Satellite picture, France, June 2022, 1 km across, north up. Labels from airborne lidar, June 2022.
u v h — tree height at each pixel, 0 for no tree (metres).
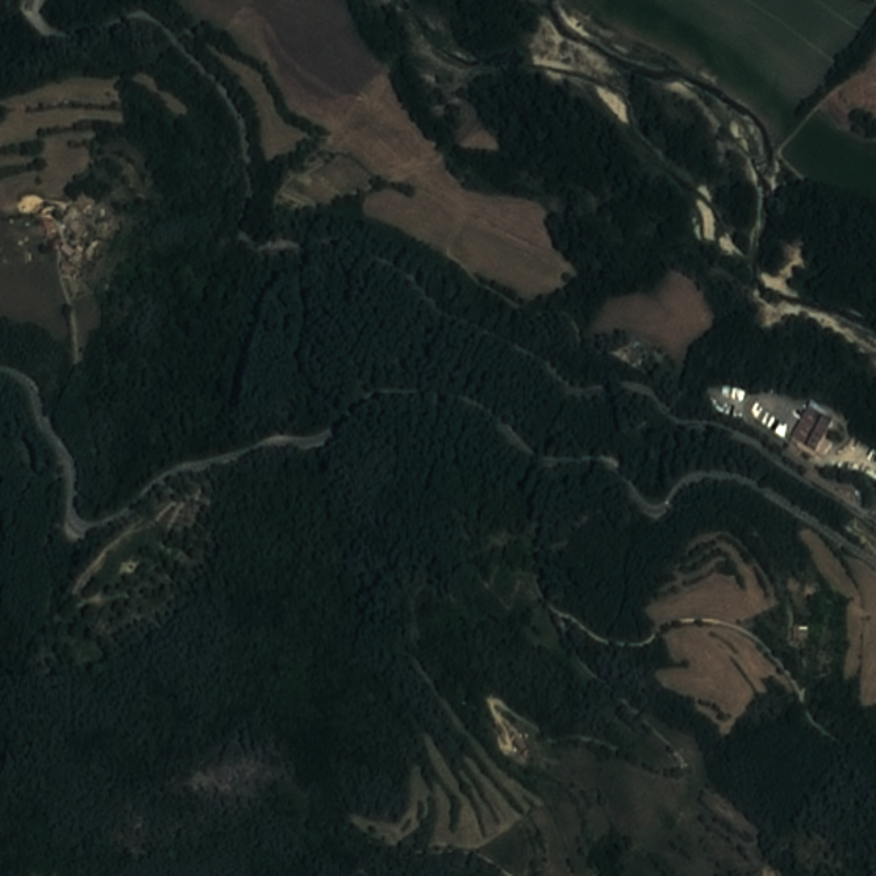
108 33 10
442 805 0
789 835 9
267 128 0
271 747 13
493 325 20
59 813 19
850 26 0
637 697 13
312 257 25
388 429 28
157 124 11
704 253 11
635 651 11
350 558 19
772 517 13
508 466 33
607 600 14
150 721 22
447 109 9
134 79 7
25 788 18
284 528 11
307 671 15
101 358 9
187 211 15
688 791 0
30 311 0
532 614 9
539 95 17
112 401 15
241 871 17
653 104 10
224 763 10
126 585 8
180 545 9
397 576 27
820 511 8
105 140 9
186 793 10
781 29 0
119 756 15
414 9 0
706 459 20
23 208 0
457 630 9
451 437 26
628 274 27
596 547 13
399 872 13
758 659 0
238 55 8
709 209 0
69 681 24
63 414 22
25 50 22
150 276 9
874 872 15
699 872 0
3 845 11
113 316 9
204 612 18
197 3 0
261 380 29
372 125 0
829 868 15
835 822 16
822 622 8
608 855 15
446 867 13
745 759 12
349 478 16
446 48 0
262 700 18
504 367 31
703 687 0
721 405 0
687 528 9
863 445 8
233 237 9
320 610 16
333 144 0
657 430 12
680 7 0
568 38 0
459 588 27
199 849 14
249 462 19
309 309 24
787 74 0
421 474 24
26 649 13
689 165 17
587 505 25
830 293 23
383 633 21
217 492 9
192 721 17
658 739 0
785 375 19
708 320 0
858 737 15
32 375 7
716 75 0
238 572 21
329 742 14
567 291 12
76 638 19
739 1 0
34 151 11
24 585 24
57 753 15
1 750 19
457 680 8
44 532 20
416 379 23
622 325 0
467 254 0
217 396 11
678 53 0
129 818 12
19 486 27
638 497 0
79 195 8
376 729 16
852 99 0
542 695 15
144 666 21
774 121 0
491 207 0
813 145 0
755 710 7
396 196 0
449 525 16
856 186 0
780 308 0
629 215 17
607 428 15
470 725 12
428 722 24
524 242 0
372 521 17
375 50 7
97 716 16
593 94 0
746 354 16
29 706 28
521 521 17
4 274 0
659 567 11
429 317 27
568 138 18
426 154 0
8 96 14
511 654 7
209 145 9
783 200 19
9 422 30
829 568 0
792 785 15
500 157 16
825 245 15
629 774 0
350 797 7
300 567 13
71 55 20
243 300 13
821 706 15
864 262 24
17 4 15
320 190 0
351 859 13
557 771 0
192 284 6
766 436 8
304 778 10
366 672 18
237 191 13
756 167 0
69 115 0
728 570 8
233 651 23
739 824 0
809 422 0
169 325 20
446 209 0
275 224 24
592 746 8
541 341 24
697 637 0
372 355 29
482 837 0
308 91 0
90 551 18
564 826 0
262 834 24
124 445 14
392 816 7
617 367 11
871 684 0
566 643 11
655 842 0
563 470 14
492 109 7
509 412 28
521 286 0
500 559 19
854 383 13
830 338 8
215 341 14
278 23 0
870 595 0
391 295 31
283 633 14
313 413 15
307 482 17
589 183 21
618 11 0
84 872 16
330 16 0
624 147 31
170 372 14
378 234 26
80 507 20
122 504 12
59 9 24
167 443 15
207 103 12
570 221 12
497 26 20
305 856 10
